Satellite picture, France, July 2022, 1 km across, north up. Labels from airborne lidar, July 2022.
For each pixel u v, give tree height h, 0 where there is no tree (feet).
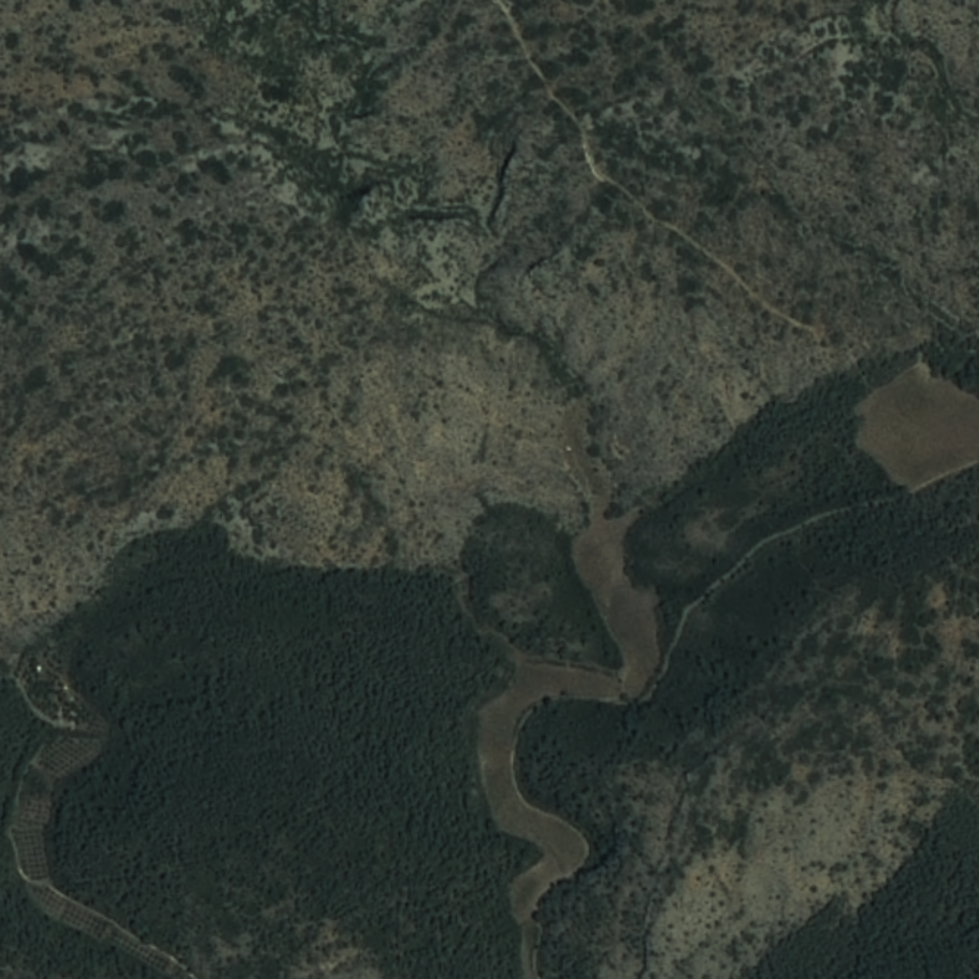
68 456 0
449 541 0
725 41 0
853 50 0
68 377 0
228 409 0
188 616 25
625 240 0
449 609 48
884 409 0
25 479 0
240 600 28
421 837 27
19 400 0
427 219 37
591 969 19
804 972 34
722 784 0
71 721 22
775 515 20
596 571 0
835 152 0
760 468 23
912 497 23
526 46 0
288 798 31
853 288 0
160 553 29
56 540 0
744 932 19
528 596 0
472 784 42
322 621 18
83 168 0
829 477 49
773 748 0
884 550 34
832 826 0
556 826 0
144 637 20
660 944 0
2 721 45
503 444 0
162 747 29
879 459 0
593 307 0
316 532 0
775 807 0
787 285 0
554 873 0
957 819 21
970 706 21
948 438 0
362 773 54
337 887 47
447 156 0
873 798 0
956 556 27
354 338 0
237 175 0
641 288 0
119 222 0
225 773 31
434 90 0
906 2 0
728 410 0
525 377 0
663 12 0
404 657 39
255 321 0
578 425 0
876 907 48
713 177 0
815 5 0
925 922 44
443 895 25
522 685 0
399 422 0
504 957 41
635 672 0
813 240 0
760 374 0
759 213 0
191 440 0
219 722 32
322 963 0
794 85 0
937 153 0
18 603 0
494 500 0
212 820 37
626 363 0
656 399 0
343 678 49
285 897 27
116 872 39
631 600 0
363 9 0
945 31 0
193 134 0
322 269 0
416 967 31
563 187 0
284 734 45
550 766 31
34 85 0
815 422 26
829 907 32
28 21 0
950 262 0
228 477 0
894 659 0
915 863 37
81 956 34
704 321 0
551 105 0
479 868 51
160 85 0
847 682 0
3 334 0
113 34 0
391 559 0
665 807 0
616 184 0
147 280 0
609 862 19
